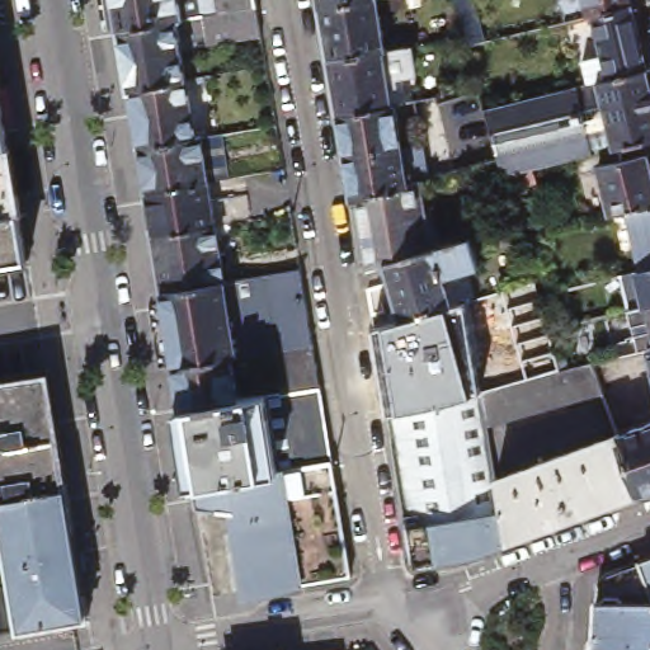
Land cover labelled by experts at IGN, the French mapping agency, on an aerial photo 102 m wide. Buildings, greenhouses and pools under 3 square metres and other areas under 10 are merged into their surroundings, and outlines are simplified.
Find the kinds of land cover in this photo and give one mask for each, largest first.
<instances>
[{"label":"building","instance_id":"1","mask_svg":"<svg viewBox=\"0 0 650 650\"><path fill-rule=\"evenodd\" d=\"M107 8L114 10V33L119 43V48L114 51L119 86H127L129 96L135 99L124 107V114L132 145L137 147V157H142V163L137 165V183L147 193L145 218L152 244L155 274L160 292L168 295V302L157 305V348L165 355V366L173 376L168 378V391L175 396L173 409L178 419L170 429L180 488L185 490L190 503H198L201 508H213L216 518L226 521L223 548L226 556H234L236 584L251 587L254 592L264 589L274 599L284 597L292 602L300 592L302 579L297 571L287 510L292 500L297 503L305 495L300 482V477L307 475L305 465H320L322 454H330L322 396L315 383V363L305 320V305L302 300H297V292L302 289L300 274L284 272L236 282L239 312L246 315V320L241 328L231 330L226 287L221 279L223 259L216 251V241L226 234V231L221 180L234 178L231 168L239 160L231 157V150L226 145L229 132L211 135V112L216 107L208 102L211 94L203 91L206 81V76H201V69H196L193 63L196 56L208 53V46H216L218 41H254L259 36V28L254 0H107ZM320 8V18H315L317 61L328 56L330 89L335 96L338 129L333 135L338 147L335 152L343 155V163H338V173L345 196L340 206L345 216H353V246L358 256L363 259V264L381 262V269L386 274V287L366 289V312L373 317V328H378V383L383 396V416L378 421L383 424V432L394 427L406 503L411 510H419L427 518L434 571L444 564H452L454 559H472L490 551H495L503 559L510 556L505 546L523 543L533 536L554 533L559 528L574 526L589 515H599L612 508H625L630 505V500L650 503V69L630 79H617L614 74L617 69L645 61L637 48L635 25H620L612 15H604V5H614L622 0H559L561 23L571 25L579 20L592 25L587 38V58L599 61L597 81L587 86L581 79L576 86L561 91H546L528 99L513 94L505 104H498L493 109L482 107L437 91V79L414 76L411 53L406 48L388 51L383 46V28L378 15L381 0H312ZM427 117L429 142L421 150H411L409 119L424 122ZM490 155H495V165H500L510 175L521 173L526 178L556 165L564 173L579 178V168L584 160L597 163L594 175L602 190V203L597 206L602 211V218H612L617 223V239L620 249L627 256H632L622 269V277L617 292L622 297V307L627 310V320L620 330H627L632 353H642L647 358V366L637 378H617L599 388V366L587 363L569 368L566 361H559L554 353H548L551 340L538 328L541 320L531 310L533 305H531L508 307V297L503 292L510 284L498 279L495 287H490L480 284V279L472 277L475 264L470 256V246L465 244L396 262L394 249L404 241L406 231L416 218L427 216L424 203H416L411 193L419 183L442 180V175L488 160ZM452 15H465L470 46H485V23L475 18L470 0H454ZM23 256L18 239V206L10 180L5 137L0 129V274H15L20 269ZM66 495V485L56 447L48 383L46 378H23L0 383V584L5 599L8 635L15 642L66 635L74 630H89V622L81 617L79 609L69 526L61 500ZM640 584H650V561L635 564ZM584 650H650V607H589Z\"/></svg>","mask_w":650,"mask_h":650},{"label":"impervious surface","instance_id":"2","mask_svg":"<svg viewBox=\"0 0 650 650\"><path fill-rule=\"evenodd\" d=\"M259 28V36L254 41L264 43L272 51L269 63L274 66V96L279 102L277 129H272L274 142L231 150V157L239 160L277 150L279 170L234 178L221 180L226 231L236 218L264 213L267 208H272L274 216L295 218L300 231L297 236H287V246H277L274 251H254L251 246L239 249L226 234L216 241V251L223 259L221 279L226 287L231 330L241 328L246 320V315L239 312L236 282L284 272L300 274L302 289L297 292V300H302L305 305V320L315 363V383L322 396L330 454H322L320 465H305L307 475L300 477V482L305 495L297 503L292 500L287 510L297 571L302 579L300 592L292 602L284 597L274 599L264 589L254 592L251 587L236 584L234 556H226L223 548L226 521L216 518L213 508H201L198 503H190L185 490L180 488L170 429L178 419L173 409L175 396L168 391V378L173 376L165 366V355L157 348V305L168 302V295L160 292L155 274L152 244L145 218L147 193L137 183V165L142 163V157H137V147L132 145L124 114V107L135 99L129 96L127 86H119L114 51L119 48V43L114 33V10L107 8V0H0V129L5 137L10 180L18 206V239L23 256L20 269L15 274H0V383L23 378H46L48 383L56 447L66 485V495L61 500L69 526L79 609L81 617L89 622V630H74L66 635L15 642L8 635L5 599L0 584V650H475L480 645L482 622L488 620L490 607L508 592L521 594L533 587H538L546 609L538 650H584L589 607H650V584H640L635 564L650 561V503L630 500V505L625 508H612L599 515H589L574 526L559 528L554 533L533 536L523 543L505 546L510 556L503 559L495 551H490L472 559H454L452 564H444L434 571L427 518L419 510H411L406 503L394 427L383 432V424L378 421L383 416V396L378 383V328H373V317L366 312V289L386 287V274L381 269V262L363 264V259L358 256L353 246V216H345L340 206L345 196L338 173V163H343V155L335 152L338 147L333 135L338 129L335 96L330 89L328 56L317 61L315 18H320V8L312 0H254ZM56 251L76 262L74 272L63 279L53 272ZM127 361L132 366L147 368L145 386L135 388L122 383V366ZM81 368H102V386L96 388V396L86 401L76 396ZM421 0H381L378 15L383 28V46L388 51L406 48L411 53L421 46L416 43V36L421 25L416 23V13L411 8H419ZM604 15H612L620 25H635L637 48L645 61L617 69L614 74L617 79H630L650 69V0H622L614 5H604ZM592 25L579 20L571 25L569 36L579 43V69L581 79L587 86L597 81L599 61L587 58V38ZM597 163L584 160L579 168V183L584 198L597 206L602 203V190L594 175ZM427 216L416 218L406 231L404 241L394 249L396 262L465 244L470 246V256L475 264L472 277L480 279V284L490 287H495L498 279L500 267H505V256L488 259L482 254L472 223L462 218L465 208L457 203L452 193H439L437 198L424 203ZM536 289L533 284H510L503 292L508 297V307L531 305V292ZM627 320V310L622 307L584 320V325L576 330V353L566 361L569 368L587 363L599 366V388L617 378H637L647 366V358L642 353H632L627 330H620Z\"/></svg>","mask_w":650,"mask_h":650},{"label":"brushwood","instance_id":"3","mask_svg":"<svg viewBox=\"0 0 650 650\"><path fill-rule=\"evenodd\" d=\"M272 51L264 43L254 41H218L216 46H208V53L196 56L193 63L196 69H201V76H206V81H213L229 71L246 69L254 81L256 104L262 107L259 114L249 122L254 129L267 124H272V129H277L279 102L274 96V66L269 63ZM414 76L437 79L439 66H462L467 61L465 48H454L449 43L421 46L411 53ZM581 79L579 69L554 76L546 74L536 79L521 74L495 79L490 89L482 91V107L493 109L498 104H505L513 94L528 99L546 91H561L576 86ZM411 150H421L429 142L427 117L424 122L409 119ZM279 170L277 150L239 160L231 168L234 178ZM495 165V155H490L488 160L442 175V180L419 183L411 193L416 203H424L437 198L439 193H452L470 178H475L480 170ZM571 208L569 218L574 221L602 218V211L597 206L584 198L579 183L574 190L564 193ZM226 234L239 249L251 246L254 251H274L277 246H287V236H297L300 231L295 218L274 216L272 208H267L264 213L236 218L226 231ZM632 256H627L620 249L617 239L599 236L594 241V251L571 264H566L561 256H554V272L533 284L536 289L531 292V305H533L559 302L569 317L584 320L622 307V297L617 292H612L602 305L584 302L579 292H569L571 277L602 269L609 279L622 277V269ZM546 609L538 587H533L521 594L508 592L490 607L488 620L482 622L480 645L475 650H538Z\"/></svg>","mask_w":650,"mask_h":650},{"label":"herbaceous vegetation","instance_id":"4","mask_svg":"<svg viewBox=\"0 0 650 650\"><path fill-rule=\"evenodd\" d=\"M475 18L485 23V46H470L465 15H452L454 0H421L419 8H411L416 13V23L421 25L416 36V43L421 46L449 43L454 48H465L467 61L485 58L490 53L488 71L495 79L521 74L536 79L546 74L554 76L579 69V43L569 36L571 25L561 23L559 0H470ZM203 91L211 94L208 102L216 107L211 112V135L229 132L226 145L231 150L274 142L272 129V124H267L254 129L249 122L259 114L262 107L256 104L254 81L246 69L229 71L213 81H206ZM528 185L554 188L564 193L574 190L579 183V178L564 173L556 165L526 178ZM599 236L617 239V223L612 218H602L574 221L559 236L564 241L561 256L566 264H571L594 251V241ZM622 277L609 279L602 269L571 277L569 292H579L584 302L602 305L612 292H617Z\"/></svg>","mask_w":650,"mask_h":650},{"label":"deciduous trees","instance_id":"5","mask_svg":"<svg viewBox=\"0 0 650 650\"><path fill-rule=\"evenodd\" d=\"M490 53L485 58L467 61L462 66H439L437 79V91L482 107V91L490 89L495 79L488 71ZM457 203L465 208L462 218L472 223L482 254L488 259L505 256V267H500L498 279L510 284H533L554 272V256H561L564 241L559 236L574 221L569 218L571 208L564 193L554 188L528 185L526 178L521 173L510 175L500 165H495L480 170L475 178H470L452 193ZM76 262L56 251L53 272L63 279L74 272ZM531 310L541 320L538 328L551 340L548 353H554L559 361H566L576 353V330L584 325V320L569 317L559 302L533 305ZM147 368L132 366L127 361L122 366V383L135 388L145 386ZM102 386V368H81L76 396L86 401L96 396V388Z\"/></svg>","mask_w":650,"mask_h":650}]
</instances>
